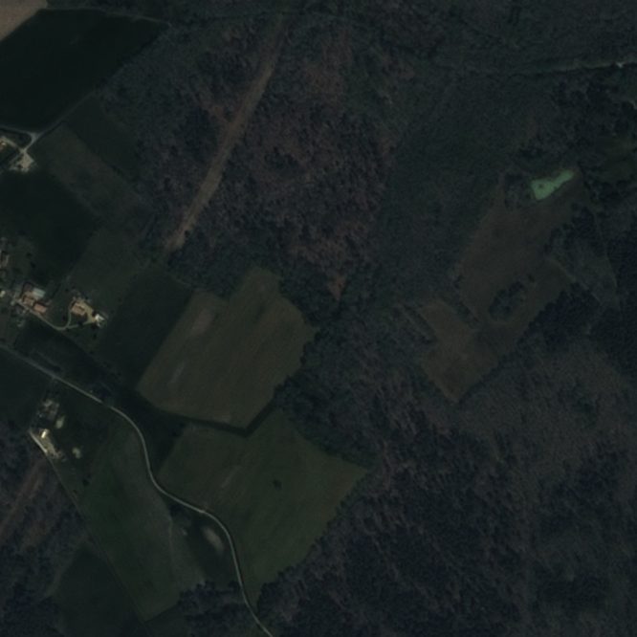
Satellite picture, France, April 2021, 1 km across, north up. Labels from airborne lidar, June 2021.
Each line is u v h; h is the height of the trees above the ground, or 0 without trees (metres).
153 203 9
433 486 13
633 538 19
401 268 20
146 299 0
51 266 0
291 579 13
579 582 13
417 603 16
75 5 16
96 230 7
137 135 14
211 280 16
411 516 19
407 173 19
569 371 14
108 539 0
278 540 0
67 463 0
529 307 0
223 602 27
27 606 25
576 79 15
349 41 16
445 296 18
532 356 16
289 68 15
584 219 18
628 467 13
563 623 17
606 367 15
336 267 11
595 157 14
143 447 0
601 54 16
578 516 11
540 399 17
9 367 0
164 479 0
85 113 0
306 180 12
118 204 0
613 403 12
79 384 0
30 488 0
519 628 9
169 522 0
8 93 0
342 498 0
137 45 0
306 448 0
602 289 14
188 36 14
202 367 0
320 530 0
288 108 24
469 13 17
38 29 0
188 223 0
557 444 15
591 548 15
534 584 15
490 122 18
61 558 16
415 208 15
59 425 0
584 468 8
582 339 17
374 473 9
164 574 0
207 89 19
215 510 0
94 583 0
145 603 0
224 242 12
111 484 0
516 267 0
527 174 15
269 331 0
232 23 14
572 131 17
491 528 18
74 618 0
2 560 8
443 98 19
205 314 0
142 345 0
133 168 0
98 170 0
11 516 0
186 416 0
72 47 0
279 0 18
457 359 0
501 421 15
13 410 0
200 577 0
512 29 18
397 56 28
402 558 16
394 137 17
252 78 10
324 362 17
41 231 0
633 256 21
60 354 0
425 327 17
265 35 18
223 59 11
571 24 16
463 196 17
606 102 15
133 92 15
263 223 9
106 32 0
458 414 14
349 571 16
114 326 0
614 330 19
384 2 19
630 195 10
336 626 20
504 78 17
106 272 0
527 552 10
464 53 17
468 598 14
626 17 16
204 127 24
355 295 16
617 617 19
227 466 0
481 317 0
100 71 0
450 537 21
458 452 11
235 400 0
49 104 0
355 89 13
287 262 15
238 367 0
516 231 0
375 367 20
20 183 0
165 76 17
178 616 0
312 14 16
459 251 18
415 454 16
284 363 0
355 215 23
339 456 17
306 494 0
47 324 0
